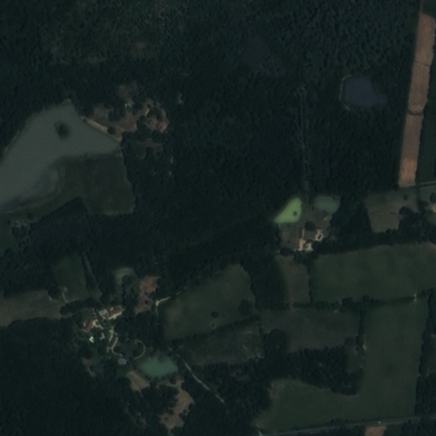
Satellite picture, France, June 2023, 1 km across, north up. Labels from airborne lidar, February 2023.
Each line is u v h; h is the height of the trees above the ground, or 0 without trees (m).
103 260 22
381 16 24
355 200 15
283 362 15
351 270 0
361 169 22
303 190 17
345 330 0
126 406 14
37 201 0
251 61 23
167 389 20
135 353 12
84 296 0
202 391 20
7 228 0
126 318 8
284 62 24
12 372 27
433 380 22
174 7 8
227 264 18
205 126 15
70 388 21
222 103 19
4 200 0
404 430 13
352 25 32
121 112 15
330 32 34
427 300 0
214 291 0
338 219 24
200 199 24
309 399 0
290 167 28
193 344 0
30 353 24
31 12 25
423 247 0
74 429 24
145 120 18
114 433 19
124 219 20
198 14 15
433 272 0
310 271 14
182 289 16
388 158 12
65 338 19
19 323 18
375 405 0
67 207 15
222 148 19
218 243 11
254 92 21
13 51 18
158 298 16
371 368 0
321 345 0
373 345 0
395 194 0
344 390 15
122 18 12
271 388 24
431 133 0
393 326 0
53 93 21
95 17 16
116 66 25
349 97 0
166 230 24
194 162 15
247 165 21
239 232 8
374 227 0
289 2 24
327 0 25
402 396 0
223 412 22
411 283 0
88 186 0
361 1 28
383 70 16
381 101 0
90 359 21
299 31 20
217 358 0
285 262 0
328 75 20
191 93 16
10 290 17
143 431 20
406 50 21
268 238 6
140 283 0
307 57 28
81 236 21
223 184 24
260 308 10
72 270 0
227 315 0
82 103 17
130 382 14
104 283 18
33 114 30
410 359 0
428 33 0
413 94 0
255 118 18
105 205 0
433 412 16
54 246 17
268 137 21
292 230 0
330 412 0
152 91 23
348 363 21
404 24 29
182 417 11
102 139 0
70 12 11
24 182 0
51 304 0
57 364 25
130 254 28
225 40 19
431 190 0
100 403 26
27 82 26
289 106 20
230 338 0
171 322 0
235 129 15
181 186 22
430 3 0
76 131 0
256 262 19
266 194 23
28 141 0
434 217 0
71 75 12
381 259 0
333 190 25
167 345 15
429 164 0
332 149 15
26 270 26
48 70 23
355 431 20
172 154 18
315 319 0
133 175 18
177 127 16
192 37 12
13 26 23
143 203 21
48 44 12
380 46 30
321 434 7
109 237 26
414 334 0
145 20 14
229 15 23
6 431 15
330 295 0
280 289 17
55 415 24
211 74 17
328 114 23
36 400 26
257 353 0
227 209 25
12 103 24
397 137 13
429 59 0
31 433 25
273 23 22
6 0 23
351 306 24
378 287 0
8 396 22
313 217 0
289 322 0
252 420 18
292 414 0
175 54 25
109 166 0
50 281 9
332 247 19
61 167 0
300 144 20
